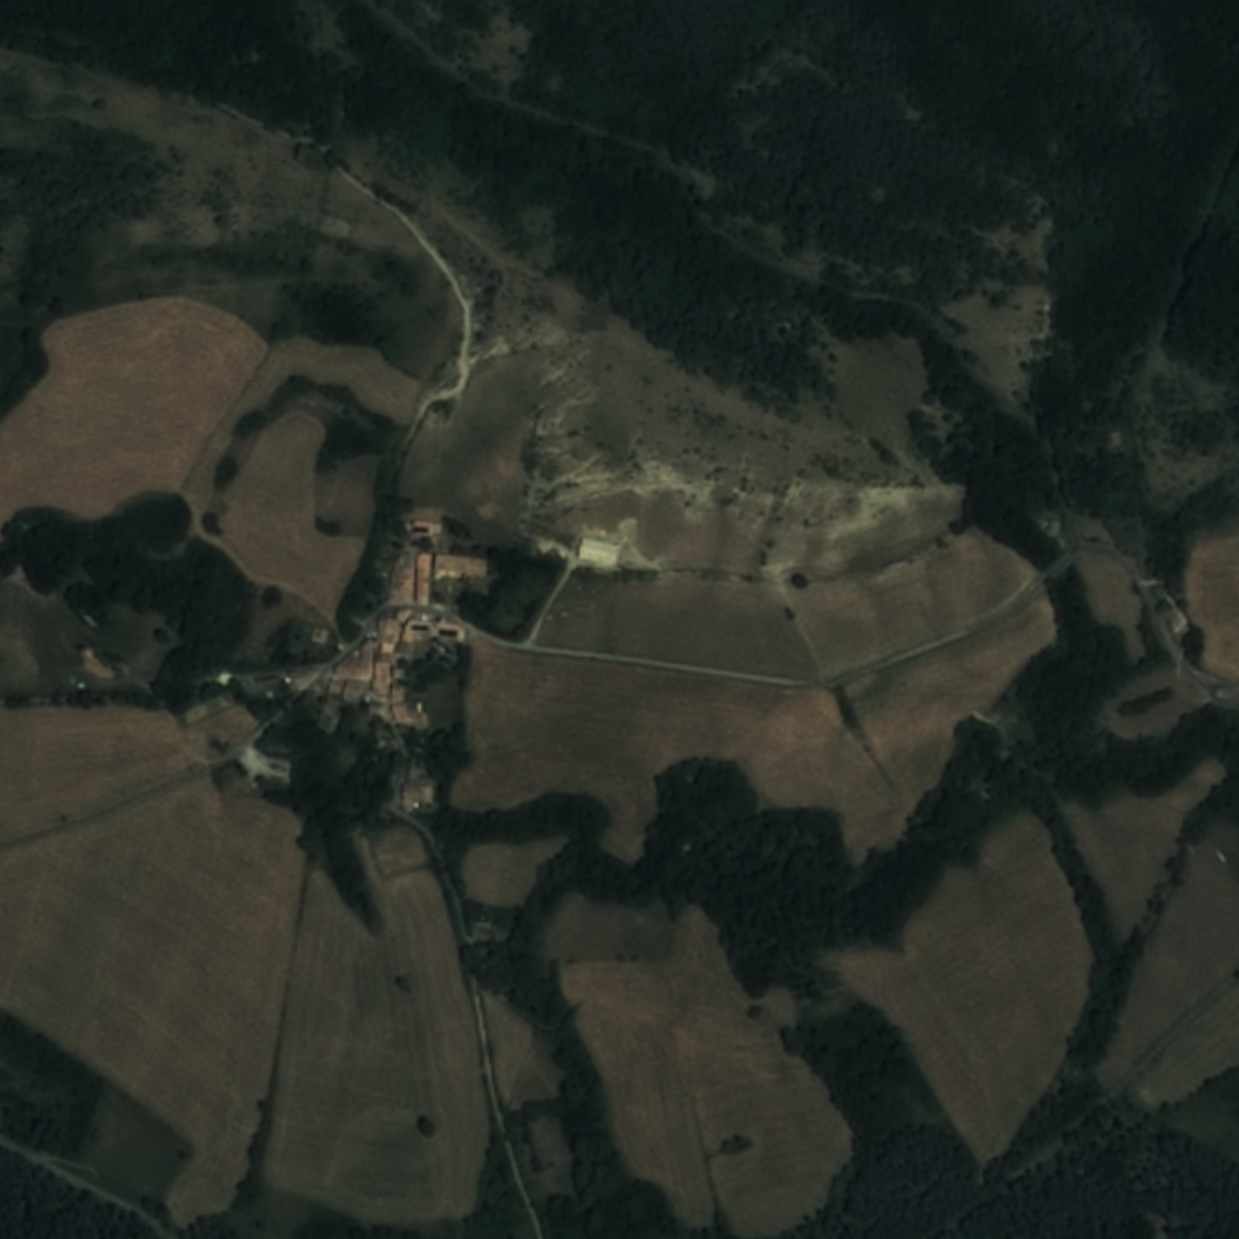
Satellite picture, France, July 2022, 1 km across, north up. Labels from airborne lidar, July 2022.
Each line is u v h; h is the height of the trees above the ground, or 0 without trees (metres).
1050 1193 16
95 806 0
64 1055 10
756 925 16
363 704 9
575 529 0
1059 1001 0
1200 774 0
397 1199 0
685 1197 0
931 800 8
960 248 10
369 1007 0
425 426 0
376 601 6
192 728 0
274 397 0
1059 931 0
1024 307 0
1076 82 19
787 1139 0
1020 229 8
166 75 11
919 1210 13
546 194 12
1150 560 10
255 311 0
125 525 7
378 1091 0
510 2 12
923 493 0
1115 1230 18
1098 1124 13
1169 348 6
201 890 0
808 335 10
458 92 17
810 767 0
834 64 8
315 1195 0
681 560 0
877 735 0
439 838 6
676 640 0
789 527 0
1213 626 0
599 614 0
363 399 0
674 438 0
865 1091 13
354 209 0
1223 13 21
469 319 0
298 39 8
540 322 0
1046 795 7
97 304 0
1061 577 7
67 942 0
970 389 13
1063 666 15
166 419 0
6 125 0
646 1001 0
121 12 14
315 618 0
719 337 16
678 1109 0
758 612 0
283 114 13
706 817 21
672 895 9
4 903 0
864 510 0
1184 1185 16
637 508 0
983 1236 15
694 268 14
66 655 0
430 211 0
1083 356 23
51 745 0
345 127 5
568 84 8
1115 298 21
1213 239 10
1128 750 22
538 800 7
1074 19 16
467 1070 0
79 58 12
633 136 13
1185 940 0
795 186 10
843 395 0
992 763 12
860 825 0
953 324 9
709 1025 0
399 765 11
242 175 0
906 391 0
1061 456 11
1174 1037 0
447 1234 0
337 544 0
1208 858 0
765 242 0
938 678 0
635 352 0
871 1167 12
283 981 0
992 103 20
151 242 0
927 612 0
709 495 0
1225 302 9
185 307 0
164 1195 0
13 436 0
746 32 12
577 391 0
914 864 22
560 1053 10
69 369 0
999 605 0
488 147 10
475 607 12
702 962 0
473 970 15
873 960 0
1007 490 10
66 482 0
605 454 0
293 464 0
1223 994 0
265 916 0
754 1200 0
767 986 9
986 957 0
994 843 0
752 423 0
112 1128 0
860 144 16
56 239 8
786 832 17
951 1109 0
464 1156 0
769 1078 0
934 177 9
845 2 11
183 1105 0
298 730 10
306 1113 0
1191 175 18
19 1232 28
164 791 0
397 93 17
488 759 0
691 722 0
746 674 0
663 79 15
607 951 0
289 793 8
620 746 0
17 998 0
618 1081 0
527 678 0
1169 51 17
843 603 0
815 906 17
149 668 0
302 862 0
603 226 13
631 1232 14
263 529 0
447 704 0
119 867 0
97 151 7
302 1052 0
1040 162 10
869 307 15
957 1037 0
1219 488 9
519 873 0
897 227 6
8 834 0
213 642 8
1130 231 16
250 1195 8
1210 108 26
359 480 0
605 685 0
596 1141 19
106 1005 0
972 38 21
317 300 10
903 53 16
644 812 0
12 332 0
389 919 0
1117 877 0
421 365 0
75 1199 23
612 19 11
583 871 10
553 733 0
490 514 0
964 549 0
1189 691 0
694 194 13
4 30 12
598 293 7
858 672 0
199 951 0
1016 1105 0
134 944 0
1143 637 6
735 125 12
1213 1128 0
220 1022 0
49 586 15
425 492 0
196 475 0
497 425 0
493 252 0
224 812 0
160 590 15
